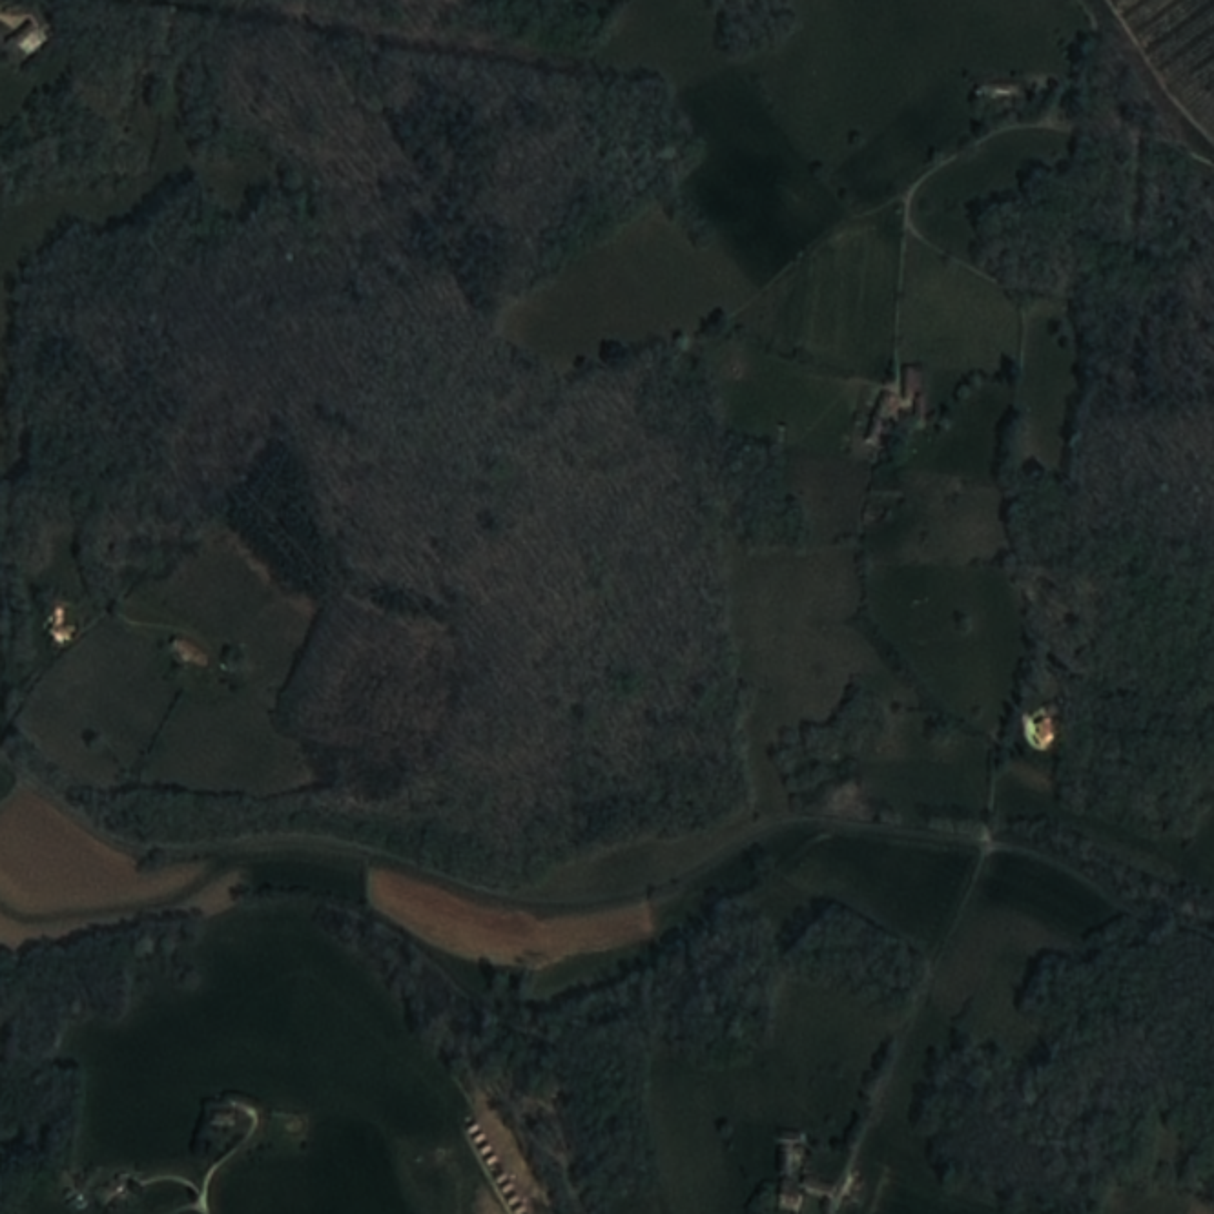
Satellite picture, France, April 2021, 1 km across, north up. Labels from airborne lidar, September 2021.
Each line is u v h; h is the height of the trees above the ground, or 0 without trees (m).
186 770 0
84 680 0
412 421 21
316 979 0
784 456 6
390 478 16
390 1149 0
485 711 19
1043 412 0
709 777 25
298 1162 0
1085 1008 22
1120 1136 26
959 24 0
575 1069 18
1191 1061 22
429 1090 0
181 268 21
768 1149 0
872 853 0
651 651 21
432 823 15
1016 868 0
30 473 19
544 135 14
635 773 26
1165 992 21
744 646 0
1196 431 19
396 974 18
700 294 0
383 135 21
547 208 20
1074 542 21
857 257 0
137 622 0
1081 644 20
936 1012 0
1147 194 23
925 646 0
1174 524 23
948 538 0
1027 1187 14
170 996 0
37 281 18
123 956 19
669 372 20
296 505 20
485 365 20
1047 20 0
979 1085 23
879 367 0
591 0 0
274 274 19
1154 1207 0
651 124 22
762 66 0
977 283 0
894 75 0
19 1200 21
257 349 18
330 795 16
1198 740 25
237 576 0
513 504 18
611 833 26
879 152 0
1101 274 19
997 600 0
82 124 25
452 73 23
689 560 23
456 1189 0
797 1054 0
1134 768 21
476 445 18
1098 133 13
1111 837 0
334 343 19
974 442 0
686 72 0
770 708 0
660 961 21
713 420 18
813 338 0
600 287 0
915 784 0
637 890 0
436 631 13
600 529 21
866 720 21
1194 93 0
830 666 0
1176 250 20
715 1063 16
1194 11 0
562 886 0
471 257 20
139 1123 0
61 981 23
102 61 26
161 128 0
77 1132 18
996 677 0
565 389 15
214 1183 0
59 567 0
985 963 0
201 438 21
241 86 25
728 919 22
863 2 0
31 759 21
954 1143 14
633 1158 26
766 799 0
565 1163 19
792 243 0
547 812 21
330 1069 0
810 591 0
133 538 22
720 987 24
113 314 22
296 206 24
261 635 0
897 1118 0
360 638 13
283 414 18
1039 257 23
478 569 20
